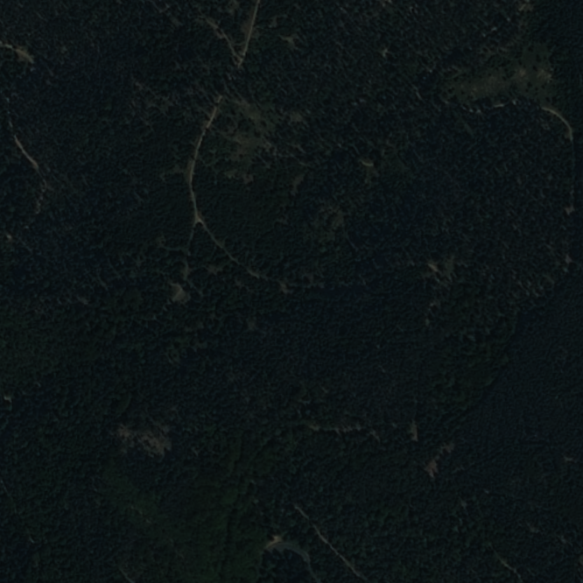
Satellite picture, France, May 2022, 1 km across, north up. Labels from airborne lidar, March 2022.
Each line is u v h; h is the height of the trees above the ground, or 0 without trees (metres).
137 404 22
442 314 24
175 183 11
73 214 30
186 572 11
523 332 24
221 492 13
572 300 18
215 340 25
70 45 28
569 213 20
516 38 42
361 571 19
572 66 18
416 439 0
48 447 23
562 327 17
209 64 29
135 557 16
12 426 31
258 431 14
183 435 30
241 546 20
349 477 20
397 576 22
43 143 27
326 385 24
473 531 22
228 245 12
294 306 28
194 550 14
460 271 13
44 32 27
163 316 21
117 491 15
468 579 23
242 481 20
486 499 19
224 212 12
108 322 27
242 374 24
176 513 19
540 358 21
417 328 8
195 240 9
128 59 28
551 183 33
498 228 30
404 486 15
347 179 19
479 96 0
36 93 34
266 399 24
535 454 13
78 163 22
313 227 29
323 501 28
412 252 24
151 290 13
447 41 31
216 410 34
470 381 14
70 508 15
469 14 29
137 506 19
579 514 9
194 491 13
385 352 21
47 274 30
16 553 26
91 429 19
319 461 26
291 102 27
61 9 26
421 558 28
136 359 27
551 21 21
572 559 14
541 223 32
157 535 13
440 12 28
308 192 9
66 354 20
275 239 14
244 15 11
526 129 33
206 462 17
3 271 12
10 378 23
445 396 20
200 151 7
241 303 14
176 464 25
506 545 20
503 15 5
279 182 10
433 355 19
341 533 19
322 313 27
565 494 12
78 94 28
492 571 24
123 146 21
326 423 22
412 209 31
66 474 18
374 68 26
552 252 30
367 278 27
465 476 15
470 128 35
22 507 21
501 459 14
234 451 14
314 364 24
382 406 24
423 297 18
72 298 29
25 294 33
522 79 0
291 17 10
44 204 33
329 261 10
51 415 25
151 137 9
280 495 34
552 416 24
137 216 8
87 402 21
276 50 16
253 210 12
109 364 22
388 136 37
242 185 8
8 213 36
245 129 9
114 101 26
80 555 23
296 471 10
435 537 25
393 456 17
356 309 24
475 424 20
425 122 35
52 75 33
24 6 22
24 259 27
